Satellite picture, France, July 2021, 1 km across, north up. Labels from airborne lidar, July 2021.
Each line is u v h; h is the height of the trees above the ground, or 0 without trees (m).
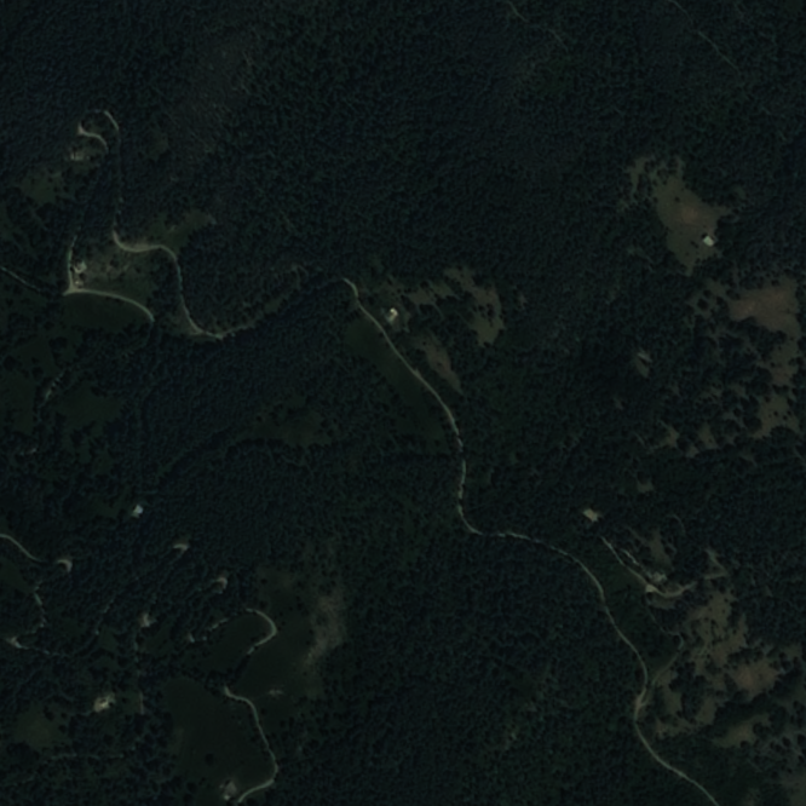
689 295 13
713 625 6
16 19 17
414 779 25
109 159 15
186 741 0
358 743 14
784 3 8
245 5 17
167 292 15
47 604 8
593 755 14
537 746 16
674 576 12
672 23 14
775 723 13
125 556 23
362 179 17
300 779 10
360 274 17
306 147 18
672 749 6
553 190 20
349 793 14
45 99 19
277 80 9
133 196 15
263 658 0
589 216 14
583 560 13
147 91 17
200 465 18
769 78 22
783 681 17
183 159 15
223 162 25
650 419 19
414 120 11
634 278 12
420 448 12
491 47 17
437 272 18
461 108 20
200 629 12
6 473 31
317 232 12
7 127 15
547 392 13
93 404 0
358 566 10
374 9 26
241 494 22
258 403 11
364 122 30
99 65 26
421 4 18
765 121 19
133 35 27
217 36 17
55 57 16
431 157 20
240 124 11
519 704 10
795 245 7
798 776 0
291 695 0
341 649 7
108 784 15
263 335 20
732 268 11
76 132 8
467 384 15
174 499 14
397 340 10
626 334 8
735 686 10
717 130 24
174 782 12
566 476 12
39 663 23
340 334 21
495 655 12
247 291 15
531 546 23
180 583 21
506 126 19
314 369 13
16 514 23
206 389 25
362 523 19
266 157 10
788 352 0
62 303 16
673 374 7
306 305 20
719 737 11
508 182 26
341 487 17
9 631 12
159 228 0
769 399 10
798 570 16
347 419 15
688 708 14
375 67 24
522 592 21
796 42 15
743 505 13
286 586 0
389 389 8
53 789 7
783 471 13
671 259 15
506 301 19
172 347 18
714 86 17
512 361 10
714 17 19
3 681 7
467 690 24
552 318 15
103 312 0
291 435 0
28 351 0
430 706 16
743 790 5
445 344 19
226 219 16
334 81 28
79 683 7
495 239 24
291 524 14
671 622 17
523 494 18
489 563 18
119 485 12
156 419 17
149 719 12
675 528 14
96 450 13
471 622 17
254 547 22
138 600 18
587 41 20
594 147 21
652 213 12
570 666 19
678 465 7
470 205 22
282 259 12
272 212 20
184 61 21
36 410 13
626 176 12
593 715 12
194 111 17
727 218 6
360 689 13
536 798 9
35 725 0
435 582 20
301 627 0
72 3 20
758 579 15
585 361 25
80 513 26
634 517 12
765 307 0
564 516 18
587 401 20
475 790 11
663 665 0
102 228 12
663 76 14
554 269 19
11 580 0
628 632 10
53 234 11
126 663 18
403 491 22
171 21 22
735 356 8
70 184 10
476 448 14
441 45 16
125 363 10
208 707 0
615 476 7
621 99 19
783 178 27
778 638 10
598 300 10
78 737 8
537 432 21
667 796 9
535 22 15
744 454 9
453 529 7
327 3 6
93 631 8
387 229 15
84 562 10
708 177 12
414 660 10
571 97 19
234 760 0
